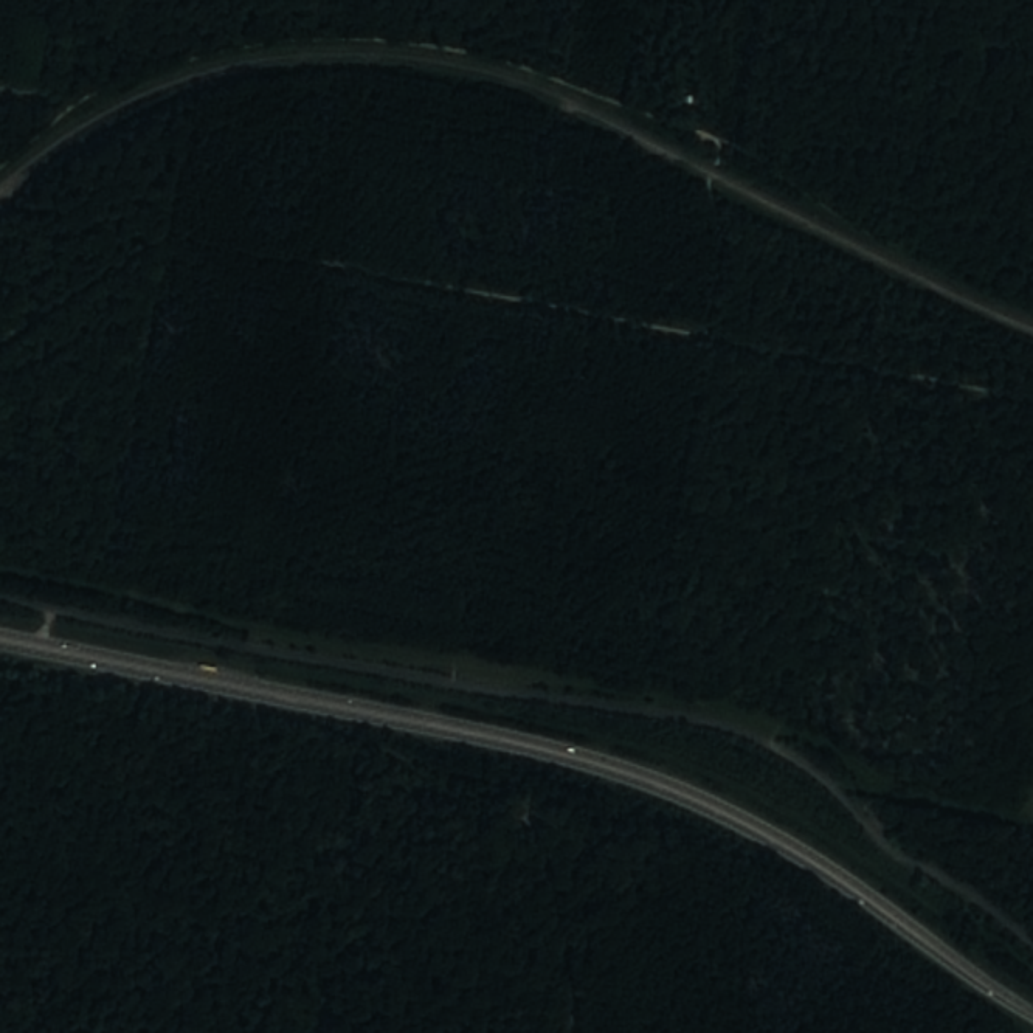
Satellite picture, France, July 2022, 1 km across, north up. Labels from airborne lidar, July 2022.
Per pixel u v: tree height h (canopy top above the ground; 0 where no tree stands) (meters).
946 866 11
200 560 16
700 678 22
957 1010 23
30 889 6
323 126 17
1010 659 27
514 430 23
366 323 27
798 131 24
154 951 24
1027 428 21
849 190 24
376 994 32
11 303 27
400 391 17
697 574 22
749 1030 21
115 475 19
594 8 8
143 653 0
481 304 17
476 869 26
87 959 29
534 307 18
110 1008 20
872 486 23
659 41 14
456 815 27
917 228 26
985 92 29
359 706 0
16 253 24
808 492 25
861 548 22
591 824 23
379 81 14
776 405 15
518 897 26
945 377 21
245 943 30
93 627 6
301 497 18
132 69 20
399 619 19
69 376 29
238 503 12
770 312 17
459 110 12
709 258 17
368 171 13
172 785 23
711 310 20
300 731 23
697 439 25
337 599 18
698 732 8
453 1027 26
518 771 11
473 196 24
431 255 15
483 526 17
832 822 12
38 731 26
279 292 20
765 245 23
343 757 24
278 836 25
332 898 21
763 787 9
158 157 31
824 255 21
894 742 26
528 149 14
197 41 28
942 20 30
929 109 25
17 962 25
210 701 14
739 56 6
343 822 29
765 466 21
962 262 17
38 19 19
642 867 26
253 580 20
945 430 23
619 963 18
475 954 27
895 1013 21
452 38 21
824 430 20
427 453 16
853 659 21
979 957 0
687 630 26
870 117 27
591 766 0
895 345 22
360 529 16
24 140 17
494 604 19
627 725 9
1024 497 22
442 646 8
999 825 25
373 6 23
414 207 17
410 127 13
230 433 17
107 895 16
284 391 20
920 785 24
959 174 23
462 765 11
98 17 25
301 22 17
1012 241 22
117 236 20
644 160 20
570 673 17
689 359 17
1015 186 27
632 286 16
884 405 24
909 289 20
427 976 31
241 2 25
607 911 28
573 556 16
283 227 22
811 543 25
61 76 24
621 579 18
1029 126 28
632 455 18
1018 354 22
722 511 24
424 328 17
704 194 20
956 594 28
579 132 21
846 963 21
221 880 25
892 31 28
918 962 14
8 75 16
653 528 20
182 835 18
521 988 29
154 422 14
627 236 17
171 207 16
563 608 18
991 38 25
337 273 13
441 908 26
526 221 23
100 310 21
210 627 9
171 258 12
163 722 28
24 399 18
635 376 18
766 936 20
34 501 28
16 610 7
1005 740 32
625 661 19
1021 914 16
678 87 19
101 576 19
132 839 26
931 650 26
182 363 17
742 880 21
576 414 23
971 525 25
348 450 16
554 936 26
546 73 10
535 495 20
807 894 22
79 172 28
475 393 24
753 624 23
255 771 24
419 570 16
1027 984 8
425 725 0
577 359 23
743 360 26
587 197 23
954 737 25
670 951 20
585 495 17
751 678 23
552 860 26
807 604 25
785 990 24
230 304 20
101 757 25
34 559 18
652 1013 19
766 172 13
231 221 23
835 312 24
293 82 16
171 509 19
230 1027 30
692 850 23
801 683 20
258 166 17
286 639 0
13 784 24
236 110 20
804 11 25
